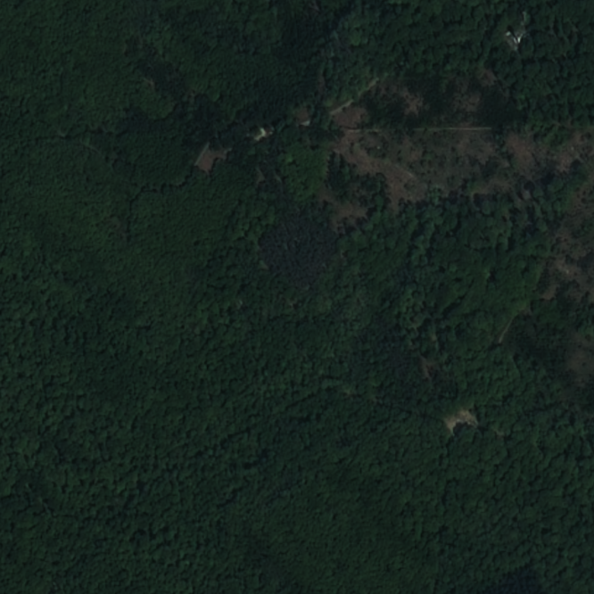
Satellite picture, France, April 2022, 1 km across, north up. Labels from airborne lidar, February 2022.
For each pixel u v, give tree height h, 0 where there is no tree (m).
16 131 21
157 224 17
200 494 21
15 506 31
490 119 6
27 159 22
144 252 19
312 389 27
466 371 19
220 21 21
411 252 9
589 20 30
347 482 21
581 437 28
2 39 25
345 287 28
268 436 27
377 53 29
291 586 22
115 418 24
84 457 29
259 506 19
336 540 20
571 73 31
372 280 24
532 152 0
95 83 20
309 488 26
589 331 22
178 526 20
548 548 28
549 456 32
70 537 31
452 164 0
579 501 36
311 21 13
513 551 29
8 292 25
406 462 26
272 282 18
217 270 27
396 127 8
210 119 7
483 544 26
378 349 17
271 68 18
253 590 20
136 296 18
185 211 16
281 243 15
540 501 27
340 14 8
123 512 27
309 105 22
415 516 29
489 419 23
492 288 27
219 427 24
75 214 20
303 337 26
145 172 14
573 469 35
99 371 24
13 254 26
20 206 18
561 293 9
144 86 16
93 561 23
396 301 23
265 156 16
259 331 23
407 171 0
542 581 26
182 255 16
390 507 30
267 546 17
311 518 19
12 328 31
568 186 29
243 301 27
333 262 25
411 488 28
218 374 27
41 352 29
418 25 25
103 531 27
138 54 10
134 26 15
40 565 29
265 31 20
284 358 24
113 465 30
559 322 10
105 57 17
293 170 29
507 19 15
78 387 27
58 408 31
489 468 31
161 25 14
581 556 35
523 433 29
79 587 24
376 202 18
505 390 27
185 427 29
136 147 17
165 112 17
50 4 25
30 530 27
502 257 31
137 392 24
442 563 26
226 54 19
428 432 26
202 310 28
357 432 22
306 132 14
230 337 30
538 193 39
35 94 25
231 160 11
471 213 31
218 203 18
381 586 18
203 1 22
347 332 21
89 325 23
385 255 22
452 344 35
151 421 28
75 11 18
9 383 33
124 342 21
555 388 26
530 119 23
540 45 30
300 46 6
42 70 24
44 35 26
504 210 37
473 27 24
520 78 29
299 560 20
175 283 23
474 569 26
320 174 29
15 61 18
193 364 29
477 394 23
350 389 24
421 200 0
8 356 30
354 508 25
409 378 23
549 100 7
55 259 19
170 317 23
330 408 16
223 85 23
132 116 22
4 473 29
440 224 33
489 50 28
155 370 27
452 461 29
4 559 29
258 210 28
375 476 24
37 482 33
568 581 35
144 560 28
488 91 6
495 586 25
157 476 31
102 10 16
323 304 25
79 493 29
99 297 22
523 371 26
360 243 36
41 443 30
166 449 29
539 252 23
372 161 0
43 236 20
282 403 25
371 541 18
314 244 20
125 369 25
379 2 9
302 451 25
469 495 32
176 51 15
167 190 14
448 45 27
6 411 29
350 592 21
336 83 20
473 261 28
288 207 21
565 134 10
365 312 29
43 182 20
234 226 26
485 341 26
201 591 22
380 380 26
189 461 26
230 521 23
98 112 16
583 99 31
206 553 25
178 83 9
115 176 12
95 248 15
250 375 28
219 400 25
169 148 17
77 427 32
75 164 22
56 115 21
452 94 6
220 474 27
